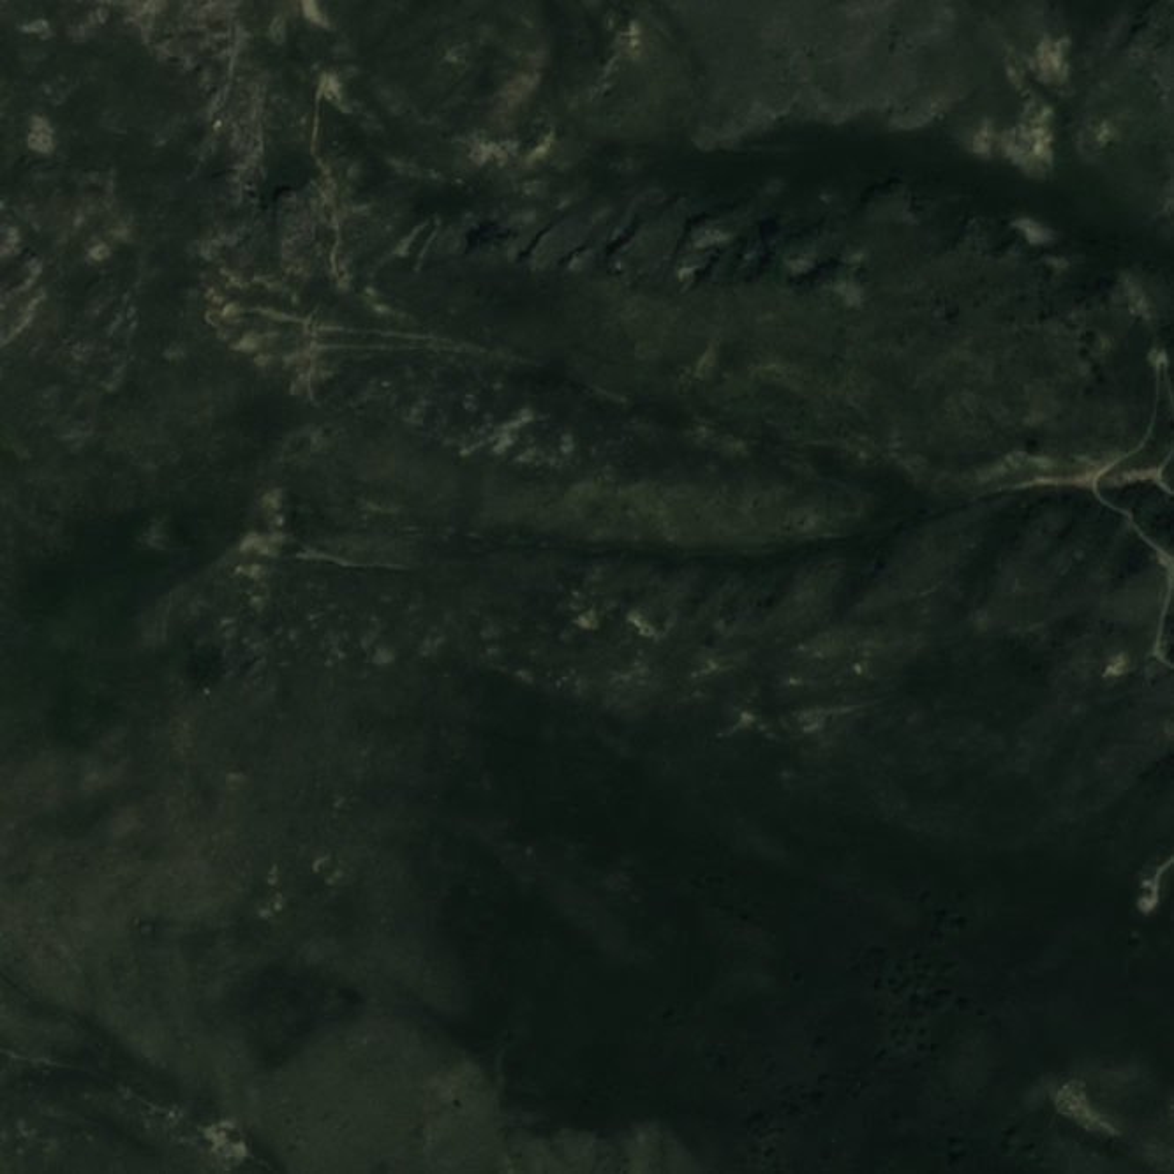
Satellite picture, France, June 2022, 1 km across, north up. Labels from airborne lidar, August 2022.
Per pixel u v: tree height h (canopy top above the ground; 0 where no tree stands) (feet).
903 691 0
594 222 0
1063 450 0
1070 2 0
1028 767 0
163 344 0
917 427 0
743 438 0
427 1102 0
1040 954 0
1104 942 0
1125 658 0
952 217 0
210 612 0
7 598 0
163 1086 0
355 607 0
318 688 0
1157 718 0
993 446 0
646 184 0
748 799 0
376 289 0
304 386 0
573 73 0
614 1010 0
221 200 0
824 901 0
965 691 0
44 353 0
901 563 0
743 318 0
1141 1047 0
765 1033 0
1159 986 0
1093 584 0
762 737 0
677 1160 0
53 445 0
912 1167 0
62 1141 0
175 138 0
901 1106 0
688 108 0
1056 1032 0
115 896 0
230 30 24
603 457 0
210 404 0
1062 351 0
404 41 0
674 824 0
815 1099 29
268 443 0
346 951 0
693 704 0
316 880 0
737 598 0
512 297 0
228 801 0
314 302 0
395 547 0
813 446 0
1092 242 23
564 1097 0
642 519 0
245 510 0
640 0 0
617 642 0
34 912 0
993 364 0
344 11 0
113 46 0
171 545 0
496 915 0
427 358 0
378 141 0
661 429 0
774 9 0
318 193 0
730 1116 0
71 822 0
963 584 0
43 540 0
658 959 0
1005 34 0
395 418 0
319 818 0
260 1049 0
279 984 0
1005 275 0
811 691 0
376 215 0
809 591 0
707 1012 0
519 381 0
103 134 0
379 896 0
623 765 0
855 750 0
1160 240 0
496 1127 0
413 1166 0
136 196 0
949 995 50
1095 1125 0
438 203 0
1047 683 0
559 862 0
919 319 0
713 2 0
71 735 0
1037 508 27
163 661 0
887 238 0
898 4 0
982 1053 0
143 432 0
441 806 0
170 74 0
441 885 0
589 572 0
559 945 0
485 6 0
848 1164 0
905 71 0
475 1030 0
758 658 0
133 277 0
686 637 0
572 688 0
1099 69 0
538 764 0
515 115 0
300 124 0
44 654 0
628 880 0
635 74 0
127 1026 0
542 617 0
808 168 0
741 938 0
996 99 0
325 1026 0
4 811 0
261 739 0
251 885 0
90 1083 0
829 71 0
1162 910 0
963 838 0
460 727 0
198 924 0
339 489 0
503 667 0
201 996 0
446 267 0
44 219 0
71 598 0
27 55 0
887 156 0
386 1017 0
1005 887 0
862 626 0
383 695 0
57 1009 0
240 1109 0
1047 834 0
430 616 0
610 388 0
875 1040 0
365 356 0
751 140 0
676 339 0
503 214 0
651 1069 0
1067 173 0
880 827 0
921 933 0
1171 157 0
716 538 0
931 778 0
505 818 0
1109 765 0
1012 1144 28
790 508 0
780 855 0
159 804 0
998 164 0
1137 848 0
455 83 0
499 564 0
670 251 0
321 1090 0
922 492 0
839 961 0
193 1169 0
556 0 0
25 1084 0
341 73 0
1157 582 0
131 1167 0
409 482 0
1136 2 0
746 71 0
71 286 0
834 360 21
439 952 0
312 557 0
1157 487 20
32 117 0
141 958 0
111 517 0
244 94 0
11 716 0
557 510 0
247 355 0
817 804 0
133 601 0
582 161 0
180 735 0
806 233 33
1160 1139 0
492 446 0
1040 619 0
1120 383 0
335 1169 0
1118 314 0
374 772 0
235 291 0
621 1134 0
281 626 0
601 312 0
